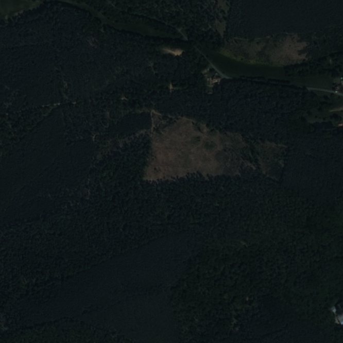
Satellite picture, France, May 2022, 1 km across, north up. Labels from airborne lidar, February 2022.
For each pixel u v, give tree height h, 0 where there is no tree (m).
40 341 22
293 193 22
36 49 14
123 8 22
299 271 22
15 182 15
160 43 23
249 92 14
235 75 0
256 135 21
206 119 21
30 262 25
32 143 15
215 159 0
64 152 13
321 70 19
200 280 30
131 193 31
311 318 23
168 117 18
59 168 15
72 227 25
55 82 11
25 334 21
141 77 16
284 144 23
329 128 31
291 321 16
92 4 27
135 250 20
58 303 18
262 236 21
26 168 15
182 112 22
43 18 21
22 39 21
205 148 0
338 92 0
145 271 22
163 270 22
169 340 18
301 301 21
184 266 22
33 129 17
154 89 25
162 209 29
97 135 6
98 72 20
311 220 26
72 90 16
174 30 22
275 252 27
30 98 11
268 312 20
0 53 11
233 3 15
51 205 10
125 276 20
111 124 9
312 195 22
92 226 26
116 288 18
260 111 10
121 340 19
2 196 16
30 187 13
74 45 22
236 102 24
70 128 21
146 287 16
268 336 25
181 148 0
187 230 22
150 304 20
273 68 0
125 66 20
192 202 24
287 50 0
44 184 14
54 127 16
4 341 23
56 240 25
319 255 25
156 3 24
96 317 17
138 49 21
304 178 20
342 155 22
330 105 18
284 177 18
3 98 8
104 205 29
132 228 29
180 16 21
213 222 22
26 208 11
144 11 24
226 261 33
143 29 0
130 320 18
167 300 20
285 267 27
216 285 29
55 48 18
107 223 31
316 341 23
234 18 15
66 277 9
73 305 18
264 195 25
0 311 26
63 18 24
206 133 0
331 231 25
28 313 18
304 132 22
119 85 11
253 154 22
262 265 27
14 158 14
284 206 24
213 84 0
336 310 19
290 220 22
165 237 20
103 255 26
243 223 24
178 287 25
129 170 25
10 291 32
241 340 24
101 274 17
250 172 25
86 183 7
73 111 21
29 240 25
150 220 29
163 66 21
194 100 20
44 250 28
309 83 0
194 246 23
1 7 0
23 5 0
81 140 12
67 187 6
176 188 28
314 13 17
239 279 22
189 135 0
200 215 27
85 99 19
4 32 24
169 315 18
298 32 15
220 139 0
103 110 30
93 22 24
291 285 20
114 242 28
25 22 24
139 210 29
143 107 23
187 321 23
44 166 17
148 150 26
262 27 14
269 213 26
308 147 20
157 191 30
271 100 25
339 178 23
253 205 26
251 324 16
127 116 9
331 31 6
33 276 30
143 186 25
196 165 0
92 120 26
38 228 29
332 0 16
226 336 23
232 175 0
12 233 27
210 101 13
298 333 20
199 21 25
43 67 10
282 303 17
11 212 11
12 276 28
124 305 20
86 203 27
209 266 30
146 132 27
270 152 0
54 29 24
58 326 21
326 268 27
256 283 24
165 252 22
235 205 28
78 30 26
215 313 25
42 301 17
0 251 30
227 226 22
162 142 0
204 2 24
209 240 24
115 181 27
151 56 19
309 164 21
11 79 11
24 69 10
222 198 25
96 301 20
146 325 19
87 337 23
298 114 19
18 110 8
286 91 22
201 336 24
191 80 22
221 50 0
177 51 0
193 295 25
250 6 16
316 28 15
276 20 15
